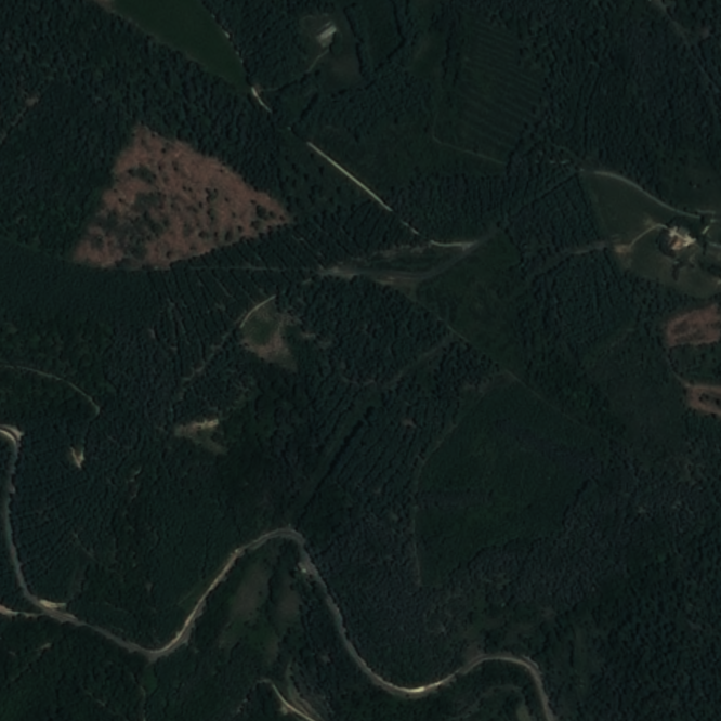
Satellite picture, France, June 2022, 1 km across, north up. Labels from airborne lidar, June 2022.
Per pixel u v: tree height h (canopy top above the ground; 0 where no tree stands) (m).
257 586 0
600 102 19
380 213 20
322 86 24
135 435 14
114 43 8
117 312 22
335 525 11
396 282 0
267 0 16
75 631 15
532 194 17
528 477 7
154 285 17
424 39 26
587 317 16
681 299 7
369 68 25
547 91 14
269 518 16
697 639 11
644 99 15
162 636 11
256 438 10
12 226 15
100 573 17
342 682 17
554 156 9
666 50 10
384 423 27
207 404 16
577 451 18
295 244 18
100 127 14
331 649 14
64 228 15
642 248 0
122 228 0
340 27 0
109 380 22
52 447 18
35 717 22
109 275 20
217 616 16
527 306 6
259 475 14
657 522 19
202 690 15
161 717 15
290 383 18
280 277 20
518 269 12
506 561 13
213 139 18
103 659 16
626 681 9
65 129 14
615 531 22
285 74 19
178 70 16
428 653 18
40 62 14
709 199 0
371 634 18
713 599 8
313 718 0
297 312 15
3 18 15
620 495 22
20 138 12
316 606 14
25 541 17
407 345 21
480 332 0
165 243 0
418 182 7
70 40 13
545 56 15
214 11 26
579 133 17
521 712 0
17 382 9
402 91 27
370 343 19
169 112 13
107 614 14
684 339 0
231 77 0
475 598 10
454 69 7
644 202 0
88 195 10
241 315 12
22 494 18
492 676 10
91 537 11
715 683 16
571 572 18
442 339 18
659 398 7
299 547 10
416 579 17
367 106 25
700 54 12
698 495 19
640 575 16
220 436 10
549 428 6
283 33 24
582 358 17
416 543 6
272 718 7
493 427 5
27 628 13
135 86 6
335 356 17
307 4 13
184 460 13
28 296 19
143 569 11
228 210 0
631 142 22
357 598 17
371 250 23
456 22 15
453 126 15
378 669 13
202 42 0
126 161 0
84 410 20
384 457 24
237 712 9
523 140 9
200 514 18
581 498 20
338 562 14
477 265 0
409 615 18
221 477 16
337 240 19
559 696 11
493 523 7
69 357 12
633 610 13
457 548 6
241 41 15
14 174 17
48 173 16
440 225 9
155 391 24
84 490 14
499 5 21
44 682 16
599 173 0
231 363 22
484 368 20
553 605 13
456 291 0
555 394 6
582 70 15
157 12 0
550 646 18
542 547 18
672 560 18
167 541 11
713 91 15
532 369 13
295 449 17
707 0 20
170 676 15
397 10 17
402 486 23
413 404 21
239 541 12
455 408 24
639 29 12
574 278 13
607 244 15
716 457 14
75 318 13
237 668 17
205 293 16
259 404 20
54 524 17
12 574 16
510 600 10
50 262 19
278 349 0
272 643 0
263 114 18
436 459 7
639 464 15
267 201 0
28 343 15
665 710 8
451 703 7
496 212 20
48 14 14
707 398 8
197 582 13
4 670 14
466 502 16
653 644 7
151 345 19
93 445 13
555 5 16
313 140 23
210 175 0
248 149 18
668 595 7
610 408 16
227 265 17
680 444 0
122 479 14
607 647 14
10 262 22
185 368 16
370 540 16
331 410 25
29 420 15
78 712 14
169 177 0
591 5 18
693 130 10
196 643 13
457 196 13
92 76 22
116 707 15
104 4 0
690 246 0
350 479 26
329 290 16
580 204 16
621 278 16
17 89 15
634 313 15
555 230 16
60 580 11
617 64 24
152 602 10
